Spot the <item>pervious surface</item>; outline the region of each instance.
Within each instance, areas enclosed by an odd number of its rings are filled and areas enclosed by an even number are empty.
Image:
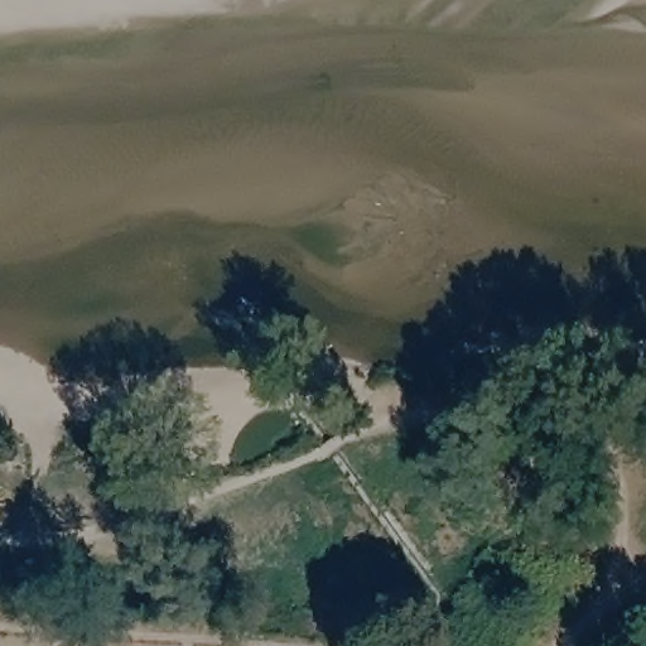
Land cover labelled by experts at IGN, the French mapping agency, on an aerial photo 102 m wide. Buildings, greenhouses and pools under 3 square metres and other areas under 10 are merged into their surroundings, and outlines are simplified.
[[[0,646],[61,646],[56,628],[43,633],[43,628],[35,623],[20,626],[0,613]]]
[[[225,646],[220,633],[209,631],[209,626],[194,631],[169,618],[156,618],[151,623],[139,623],[129,628],[121,643],[109,646]]]
[[[598,631],[598,623],[608,618],[618,606],[646,603],[646,558],[641,555],[638,535],[631,530],[638,507],[631,502],[628,495],[628,482],[643,474],[641,464],[633,462],[623,452],[623,447],[606,447],[613,462],[611,479],[618,485],[618,525],[613,527],[616,548],[598,550],[593,563],[596,580],[593,585],[580,588],[575,601],[568,601],[563,606],[558,643],[553,646],[588,646],[590,636]]]
[[[361,502],[371,502],[371,495],[366,492],[356,467],[348,462],[343,447],[379,434],[391,434],[394,429],[414,439],[419,437],[426,414],[401,399],[401,389],[396,384],[384,384],[373,389],[368,386],[368,381],[356,376],[348,384],[356,399],[361,404],[368,404],[371,409],[371,424],[351,434],[331,437],[331,432],[323,432],[323,421],[315,416],[310,396],[300,394],[290,394],[278,401],[260,401],[260,414],[285,411],[295,424],[310,426],[313,434],[320,434],[323,444],[293,459],[262,467],[247,472],[227,477],[212,490],[189,497],[189,505],[194,507],[194,517],[199,522],[209,517],[214,505],[220,505],[227,495],[240,492],[250,485],[270,482],[280,474],[295,472],[320,459],[336,462],[336,467],[341,469],[338,477],[343,492],[358,495]]]
[[[242,641],[242,646],[326,646],[326,643],[308,643],[298,638],[265,638]]]
[[[434,573],[432,563],[419,553],[414,537],[396,522],[391,512],[381,517],[381,525],[386,527],[394,543],[401,545],[414,570],[419,573],[434,601],[442,603],[444,598],[444,590]]]
[[[114,535],[101,530],[98,522],[86,522],[81,530],[71,530],[73,537],[81,537],[91,548],[91,555],[96,555],[98,560],[116,563],[119,550]]]

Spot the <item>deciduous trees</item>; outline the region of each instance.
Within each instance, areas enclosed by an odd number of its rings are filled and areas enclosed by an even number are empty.
[[[303,368],[318,356],[320,346],[326,331],[318,326],[315,318],[273,315],[273,320],[257,320],[255,336],[245,341],[237,351],[230,351],[222,366],[245,371],[250,379],[250,394],[260,401],[278,401],[290,394],[300,394],[305,389]]]
[[[23,573],[30,580],[20,583],[13,598],[0,606],[0,613],[20,626],[35,623],[43,628],[43,633],[56,628],[61,646],[109,646],[121,643],[129,628],[139,623],[151,623],[156,618],[169,618],[194,631],[209,626],[209,631],[220,633],[225,646],[242,646],[242,641],[265,638],[260,633],[260,626],[265,623],[273,608],[270,596],[262,596],[255,585],[260,580],[260,570],[235,568],[235,543],[222,548],[214,540],[184,540],[184,532],[199,522],[194,517],[194,507],[189,505],[189,497],[212,490],[227,477],[247,472],[230,457],[227,464],[217,462],[222,421],[220,416],[209,416],[204,396],[192,391],[192,379],[184,368],[167,368],[154,384],[149,384],[141,384],[129,401],[103,409],[93,426],[93,469],[98,474],[101,502],[109,500],[114,502],[114,507],[124,510],[124,525],[114,535],[119,550],[116,563],[98,560],[96,555],[91,555],[91,548],[81,537],[73,537],[63,537],[61,550],[56,555],[28,558],[23,563]]]
[[[5,432],[0,432],[0,462],[10,462],[15,457],[15,434],[13,424]]]
[[[613,527],[618,525],[618,485],[611,479],[613,462],[606,447],[623,447],[623,452],[633,462],[641,464],[646,464],[646,351],[638,358],[638,371],[633,376],[621,373],[618,361],[613,358],[618,356],[618,351],[628,348],[631,331],[618,326],[603,333],[603,338],[601,338],[601,348],[598,348],[598,351],[585,351],[585,346],[583,346],[583,328],[585,328],[585,326],[558,326],[553,331],[545,331],[537,346],[512,348],[502,358],[495,358],[490,351],[485,351],[479,363],[464,379],[464,384],[449,391],[447,399],[426,414],[419,437],[419,462],[429,474],[434,490],[457,492],[467,502],[477,500],[479,490],[502,492],[502,497],[522,502],[532,530],[532,535],[525,537],[520,563],[512,570],[505,563],[482,563],[474,570],[474,583],[464,585],[457,593],[454,603],[444,598],[442,603],[434,601],[419,573],[414,570],[409,575],[396,573],[379,588],[381,593],[376,596],[371,590],[363,590],[356,598],[351,613],[343,613],[341,618],[341,646],[553,646],[558,643],[563,606],[568,601],[575,601],[580,588],[593,585],[596,580],[593,563],[598,550],[616,548]]]
[[[270,442],[270,454],[260,462],[262,467],[293,459],[323,444],[320,434],[313,434],[310,426],[295,424],[290,434]]]
[[[646,603],[618,606],[608,618],[598,623],[598,631],[590,636],[588,646],[646,646]]]
[[[326,394],[310,396],[315,416],[323,421],[323,432],[331,432],[331,437],[351,434],[371,424],[371,409],[368,404],[361,404],[356,399],[348,384],[343,389],[328,386]]]

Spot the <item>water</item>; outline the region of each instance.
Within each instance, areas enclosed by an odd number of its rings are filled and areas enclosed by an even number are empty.
[[[553,331],[558,326],[585,326],[590,326],[590,328],[598,328],[598,331],[603,331],[603,333],[618,326],[633,310],[641,313],[646,298],[646,3],[628,3],[628,5],[621,5],[621,8],[616,8],[616,10],[611,10],[611,13],[606,13],[606,15],[601,15],[601,18],[596,18],[596,15],[593,15],[593,8],[598,5],[598,3],[601,3],[601,0],[227,0],[220,15],[139,15],[129,18],[129,28],[121,30],[81,25],[0,35],[0,346],[25,353],[33,361],[48,366],[48,371],[58,376],[58,381],[76,381],[86,386],[91,381],[103,381],[106,386],[111,386],[126,373],[141,373],[149,384],[154,384],[167,368],[184,368],[222,366],[230,351],[237,351],[245,341],[255,336],[257,320],[273,320],[273,315],[315,318],[318,326],[326,331],[320,346],[336,351],[341,363],[346,358],[356,358],[366,361],[371,368],[379,371],[389,366],[411,373],[416,366],[442,361],[459,343],[479,343],[485,351],[490,351],[495,358],[502,358],[512,348],[537,346],[545,331]]]
[[[260,414],[250,419],[245,429],[237,434],[230,457],[247,472],[262,467],[260,462],[270,454],[270,442],[290,434],[295,424],[285,411]]]

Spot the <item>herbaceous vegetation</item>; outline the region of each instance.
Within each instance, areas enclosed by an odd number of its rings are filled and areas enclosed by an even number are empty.
[[[621,373],[633,376],[638,371],[638,358],[646,351],[646,298],[641,313],[633,310],[618,326],[631,331],[628,348],[618,351],[618,356],[613,358],[618,361]]]
[[[585,351],[598,351],[598,348],[601,348],[601,338],[603,338],[603,333],[603,331],[598,331],[598,328],[590,328],[590,326],[585,326],[585,328],[583,328],[583,346],[585,346]]]
[[[641,555],[646,558],[646,464],[641,464],[643,474],[628,482],[628,495],[631,502],[638,507],[631,530],[638,535]]]
[[[255,585],[262,596],[270,596],[273,608],[298,606],[310,598],[313,618],[326,643],[326,646],[341,646],[341,618],[343,613],[351,613],[356,598],[363,590],[371,590],[376,596],[381,593],[379,588],[396,573],[409,575],[414,570],[401,545],[394,543],[386,527],[381,525],[381,517],[391,512],[396,522],[414,537],[419,553],[432,563],[434,573],[464,550],[469,537],[502,540],[507,535],[515,535],[507,522],[507,507],[502,497],[502,492],[479,490],[477,500],[467,502],[457,492],[434,490],[429,474],[419,462],[419,437],[414,439],[394,429],[391,434],[379,434],[343,447],[348,462],[356,467],[366,492],[371,495],[371,502],[361,502],[358,495],[343,492],[338,477],[341,469],[336,467],[336,462],[320,459],[295,472],[280,474],[270,482],[250,485],[240,492],[227,495],[220,505],[214,505],[209,517],[199,522],[184,532],[184,540],[214,540],[222,548],[235,543],[235,568],[260,570],[260,580]]]
[[[101,530],[114,535],[124,525],[124,510],[114,507],[114,502],[109,500],[101,502],[101,510],[81,515],[78,505],[71,497],[56,502],[43,490],[35,490],[33,477],[30,444],[15,434],[15,457],[10,462],[0,462],[0,606],[13,598],[20,583],[30,580],[23,573],[23,563],[28,558],[56,555],[61,550],[63,537],[73,537],[71,530],[81,530],[86,522],[98,522]]]

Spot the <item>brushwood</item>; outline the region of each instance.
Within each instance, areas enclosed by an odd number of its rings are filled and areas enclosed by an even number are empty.
[[[522,502],[502,497],[507,507],[507,522],[515,535],[507,535],[502,540],[469,537],[464,550],[434,573],[444,590],[444,598],[454,603],[457,593],[464,585],[474,583],[474,570],[482,563],[505,563],[512,570],[520,563],[525,537],[532,535],[532,530]]]
[[[56,502],[71,497],[78,505],[81,515],[101,510],[101,502],[98,474],[93,469],[93,426],[88,421],[76,421],[66,414],[66,432],[61,442],[53,447],[48,472],[43,477],[33,477],[35,490],[43,490]]]
[[[368,386],[373,389],[384,384],[396,384],[401,389],[401,399],[426,414],[447,399],[449,391],[464,384],[464,379],[479,363],[485,351],[479,343],[459,343],[442,361],[416,366],[411,373],[389,366],[379,371],[371,368],[368,381]]]
[[[265,638],[298,638],[308,643],[326,643],[313,618],[310,598],[298,606],[273,608],[265,623],[260,626],[260,633]]]

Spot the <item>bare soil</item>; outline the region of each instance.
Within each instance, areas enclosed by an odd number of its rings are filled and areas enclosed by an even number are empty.
[[[356,358],[346,358],[341,363],[336,351],[320,346],[318,356],[303,368],[305,389],[300,394],[310,396],[326,394],[328,386],[343,389],[348,384],[356,376],[368,381],[371,368],[366,361]]]
[[[593,15],[596,15],[596,18],[601,18],[601,15],[606,15],[606,13],[611,13],[611,10],[616,10],[616,8],[621,8],[621,5],[628,5],[628,3],[646,3],[646,0],[601,0],[601,3],[598,3],[598,5],[593,8]]]
[[[53,447],[61,442],[66,432],[66,414],[76,421],[88,421],[93,426],[103,409],[129,401],[141,384],[149,384],[141,373],[126,373],[111,386],[106,386],[103,381],[91,381],[86,386],[76,381],[58,381],[58,376],[48,371],[48,366],[33,361],[25,353],[0,346],[0,432],[5,432],[13,424],[15,434],[30,444],[33,477],[43,477],[48,472]]]
[[[245,371],[222,366],[184,368],[192,379],[192,391],[204,396],[209,416],[220,416],[222,421],[217,462],[227,464],[230,457],[237,434],[245,429],[250,419],[260,414],[260,401],[250,394],[250,379]]]
[[[227,0],[0,0],[0,35],[81,25],[121,30],[129,28],[129,18],[139,15],[220,15]]]

